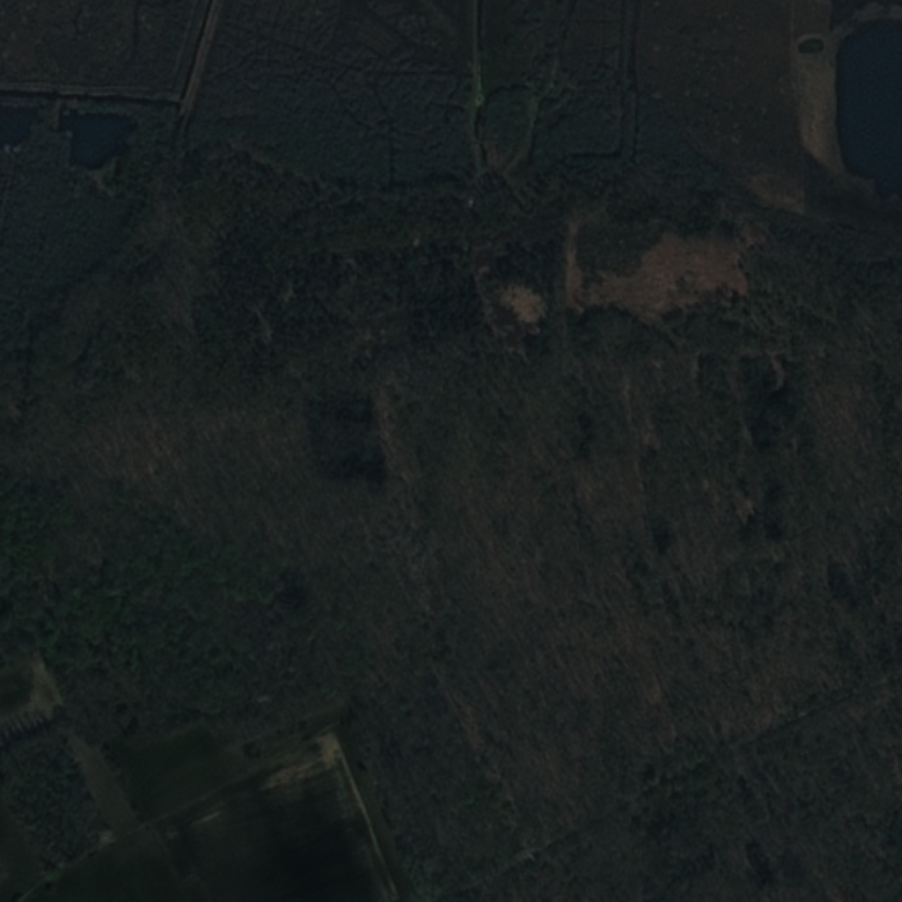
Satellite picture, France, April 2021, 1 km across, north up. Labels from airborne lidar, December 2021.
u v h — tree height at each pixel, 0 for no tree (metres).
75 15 0
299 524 27
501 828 23
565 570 20
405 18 0
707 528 21
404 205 11
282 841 0
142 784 0
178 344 14
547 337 20
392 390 22
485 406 22
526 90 6
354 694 11
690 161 7
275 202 21
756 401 15
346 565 26
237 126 6
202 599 29
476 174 15
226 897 0
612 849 24
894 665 13
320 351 17
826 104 0
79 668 17
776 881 19
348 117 6
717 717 21
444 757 26
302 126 6
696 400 21
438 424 20
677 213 11
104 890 0
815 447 22
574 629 17
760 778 23
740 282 0
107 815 0
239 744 10
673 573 21
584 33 0
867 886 24
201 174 22
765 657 15
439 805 26
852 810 16
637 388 20
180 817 0
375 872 0
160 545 23
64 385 25
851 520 25
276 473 24
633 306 0
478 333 14
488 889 24
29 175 5
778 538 18
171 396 14
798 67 0
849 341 20
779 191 0
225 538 23
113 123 0
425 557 25
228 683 24
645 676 16
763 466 19
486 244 0
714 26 0
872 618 22
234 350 10
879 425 20
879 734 23
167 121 15
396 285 10
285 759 0
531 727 26
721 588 13
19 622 11
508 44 7
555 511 21
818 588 13
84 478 26
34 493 28
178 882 0
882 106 0
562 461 27
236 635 30
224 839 0
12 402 23
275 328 13
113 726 12
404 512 20
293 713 15
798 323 13
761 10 0
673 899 20
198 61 0
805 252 14
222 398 18
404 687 22
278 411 21
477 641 26
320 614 26
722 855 19
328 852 0
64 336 26
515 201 22
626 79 0
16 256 8
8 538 24
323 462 21
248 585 25
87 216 8
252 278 23
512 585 21
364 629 26
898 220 0
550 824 22
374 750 15
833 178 0
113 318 24
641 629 17
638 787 22
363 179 7
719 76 0
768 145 0
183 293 24
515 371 17
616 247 0
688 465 22
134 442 21
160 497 24
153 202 9
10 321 10
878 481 20
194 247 22
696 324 16
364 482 18
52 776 13
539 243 0
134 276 13
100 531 26
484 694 27
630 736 19
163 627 23
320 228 20
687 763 17
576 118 7
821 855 23
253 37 0
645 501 19
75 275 11
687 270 0
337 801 0
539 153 6
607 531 19
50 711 0
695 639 20
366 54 0
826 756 20
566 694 23
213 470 23
